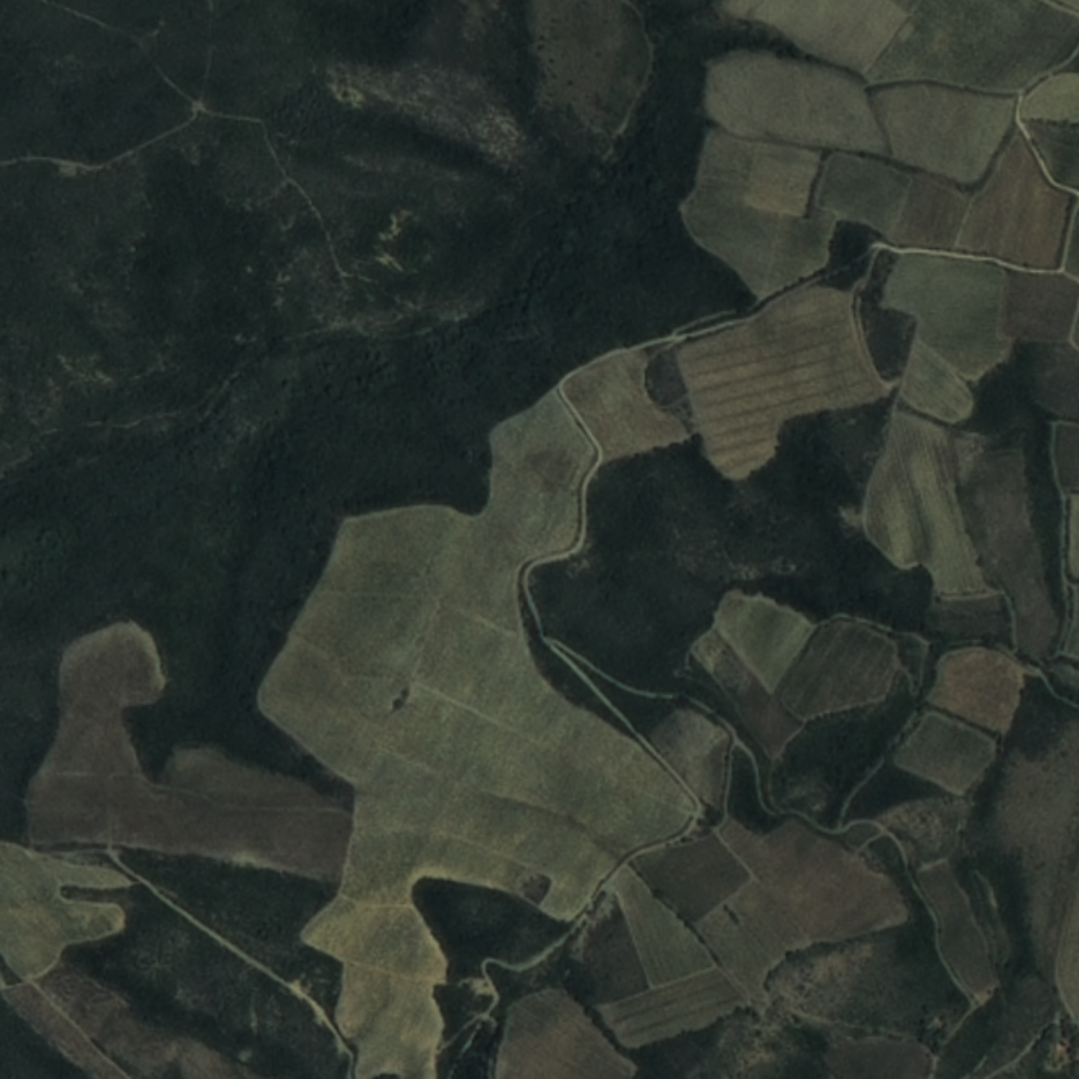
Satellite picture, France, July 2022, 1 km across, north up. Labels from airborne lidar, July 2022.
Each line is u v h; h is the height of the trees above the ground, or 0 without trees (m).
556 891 0
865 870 0
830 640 0
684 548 0
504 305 8
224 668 7
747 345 0
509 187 7
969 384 6
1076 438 0
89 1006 0
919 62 0
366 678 0
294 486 7
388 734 0
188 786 0
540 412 0
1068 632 0
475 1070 7
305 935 0
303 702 0
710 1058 0
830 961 0
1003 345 0
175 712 6
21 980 0
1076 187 0
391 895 0
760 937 0
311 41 6
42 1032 0
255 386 6
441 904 8
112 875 0
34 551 6
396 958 0
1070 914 0
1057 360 0
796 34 0
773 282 0
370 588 0
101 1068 0
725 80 0
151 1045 0
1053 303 0
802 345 0
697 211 0
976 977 0
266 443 11
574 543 0
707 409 0
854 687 0
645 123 8
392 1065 0
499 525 0
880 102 0
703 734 0
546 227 10
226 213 7
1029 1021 0
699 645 0
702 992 0
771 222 0
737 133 0
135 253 6
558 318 7
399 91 0
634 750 0
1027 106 0
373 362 9
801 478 8
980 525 0
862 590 9
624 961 0
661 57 7
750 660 0
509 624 0
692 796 0
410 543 0
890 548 0
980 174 0
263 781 0
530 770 0
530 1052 0
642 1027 0
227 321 7
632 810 0
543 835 0
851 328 0
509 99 6
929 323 0
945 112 0
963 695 0
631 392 0
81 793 0
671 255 7
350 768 0
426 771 0
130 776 0
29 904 0
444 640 0
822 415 6
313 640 0
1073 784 0
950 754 0
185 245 6
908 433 0
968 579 0
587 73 0
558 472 0
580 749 0
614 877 0
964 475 0
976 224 0
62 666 0
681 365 0
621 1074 0
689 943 0
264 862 0
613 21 0
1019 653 7
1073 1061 8
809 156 0
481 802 0
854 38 0
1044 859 0
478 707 0
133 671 0
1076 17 0
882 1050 0
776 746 0
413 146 6
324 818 0
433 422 7
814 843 0
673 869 0
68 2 0
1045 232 0
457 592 0
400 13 9
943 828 0
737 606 0
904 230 0
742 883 0
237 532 9
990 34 0
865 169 0
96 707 0
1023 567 0
